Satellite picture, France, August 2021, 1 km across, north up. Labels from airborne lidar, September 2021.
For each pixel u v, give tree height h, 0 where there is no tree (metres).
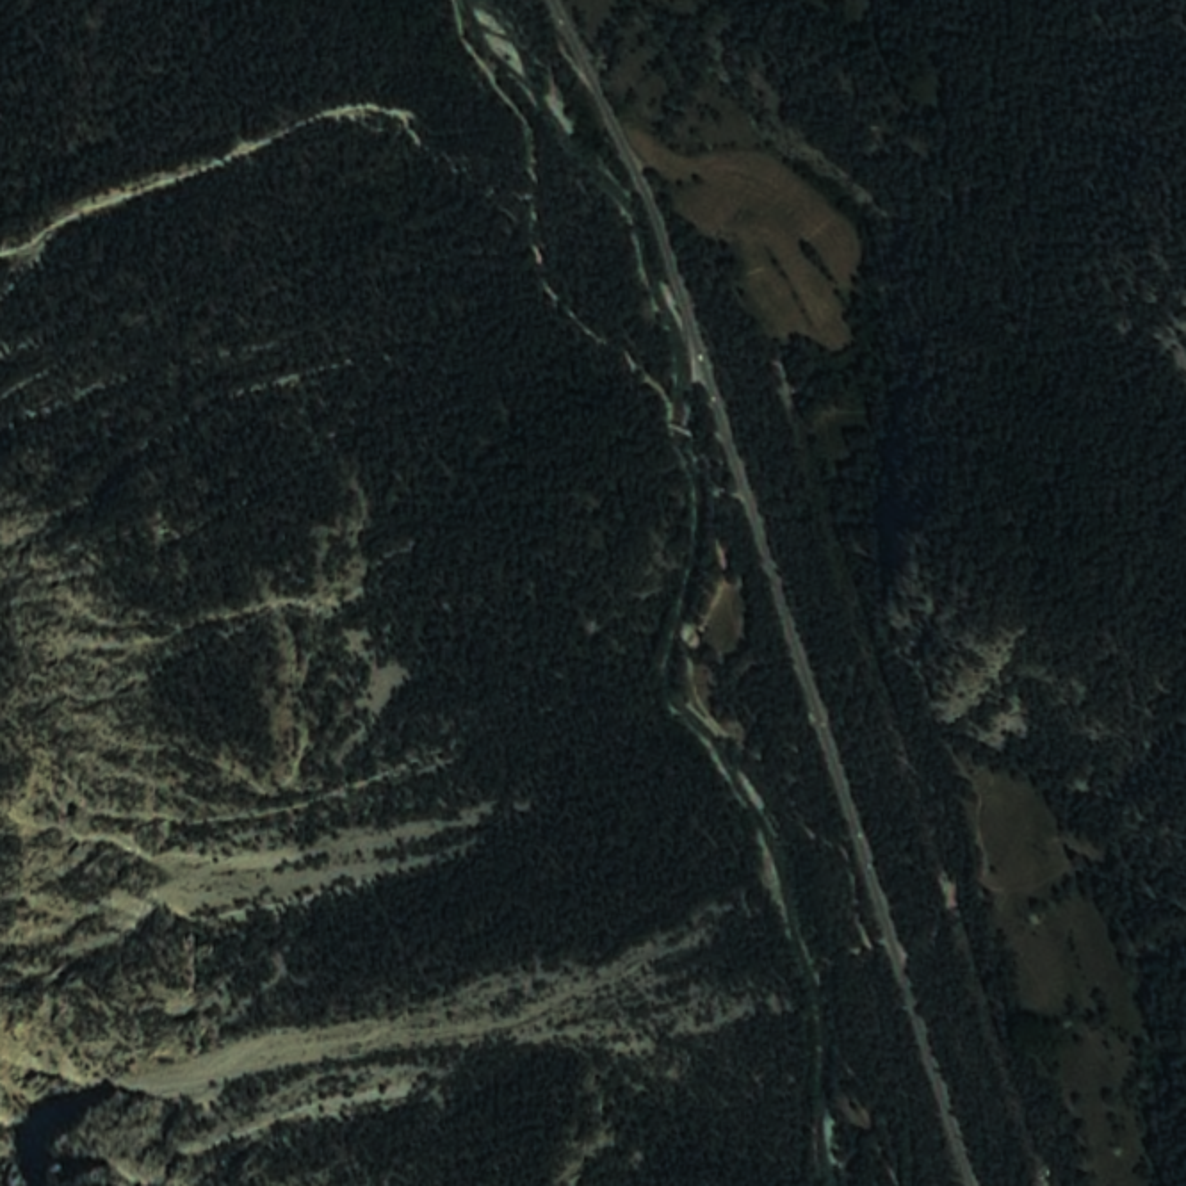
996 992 14
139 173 10
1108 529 21
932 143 19
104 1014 9
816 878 12
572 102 6
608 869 13
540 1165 8
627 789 13
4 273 6
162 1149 9
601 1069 8
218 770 12
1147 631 12
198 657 12
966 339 18
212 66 15
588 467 21
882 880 7
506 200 15
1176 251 12
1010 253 16
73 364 10
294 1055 0
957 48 17
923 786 8
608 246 13
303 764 13
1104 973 0
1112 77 12
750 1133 8
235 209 14
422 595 13
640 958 0
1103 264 8
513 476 22
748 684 13
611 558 10
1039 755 13
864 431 10
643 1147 9
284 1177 7
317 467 12
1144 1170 7
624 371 13
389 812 7
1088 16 9
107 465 18
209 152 10
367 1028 0
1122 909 18
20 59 16
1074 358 12
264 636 10
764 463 12
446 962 8
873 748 12
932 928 7
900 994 15
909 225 11
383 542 7
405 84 8
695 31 12
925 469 9
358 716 9
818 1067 6
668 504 13
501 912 14
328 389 11
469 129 9
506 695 11
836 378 13
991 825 0
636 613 16
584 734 12
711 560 17
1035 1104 8
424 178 9
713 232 0
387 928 15
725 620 0
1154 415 15
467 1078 6
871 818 10
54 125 16
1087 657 13
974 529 19
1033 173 15
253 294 13
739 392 9
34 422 14
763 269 0
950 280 18
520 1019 0
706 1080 12
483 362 16
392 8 21
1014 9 23
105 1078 0
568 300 18
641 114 0
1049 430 19
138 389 10
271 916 9
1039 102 12
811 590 13
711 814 13
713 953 7
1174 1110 19
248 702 7
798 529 12
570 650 17
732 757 11
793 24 15
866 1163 20
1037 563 16
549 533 17
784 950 12
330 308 15
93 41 13
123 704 7
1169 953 13
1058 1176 12
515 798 10
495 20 0
